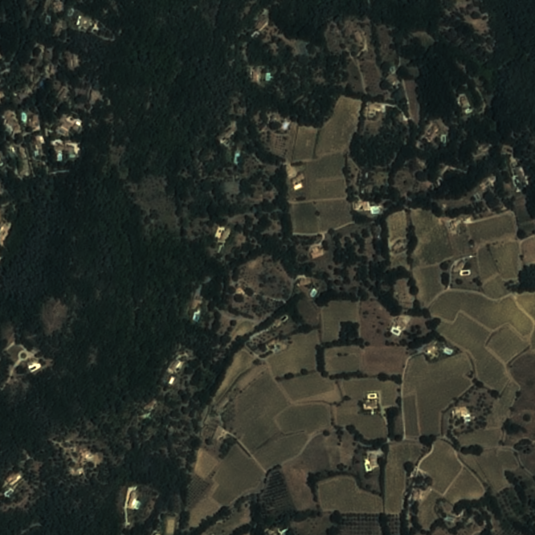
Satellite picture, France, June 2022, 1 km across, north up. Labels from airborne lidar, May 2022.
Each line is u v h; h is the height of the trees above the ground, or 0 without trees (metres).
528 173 14
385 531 13
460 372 0
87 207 8
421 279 0
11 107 12
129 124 15
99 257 13
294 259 15
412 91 0
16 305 10
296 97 11
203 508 0
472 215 7
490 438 0
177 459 15
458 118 7
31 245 20
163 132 12
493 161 17
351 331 10
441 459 0
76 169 14
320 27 8
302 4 17
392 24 16
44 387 12
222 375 16
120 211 8
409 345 8
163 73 10
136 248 13
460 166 11
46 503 11
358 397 0
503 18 14
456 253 0
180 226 10
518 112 8
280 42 10
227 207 13
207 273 16
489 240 0
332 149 0
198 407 14
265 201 9
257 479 0
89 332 16
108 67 15
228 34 12
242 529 14
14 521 15
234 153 6
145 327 14
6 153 10
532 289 15
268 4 17
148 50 9
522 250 0
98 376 15
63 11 6
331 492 0
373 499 0
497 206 12
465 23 11
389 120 6
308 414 0
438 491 0
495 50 10
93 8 12
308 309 0
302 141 0
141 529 13
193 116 11
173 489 17
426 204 15
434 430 0
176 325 13
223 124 10
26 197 12
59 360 11
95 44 14
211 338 7
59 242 12
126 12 11
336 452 0
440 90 17
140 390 6
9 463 19
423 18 17
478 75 14
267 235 12
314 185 0
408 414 0
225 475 0
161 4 14
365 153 7
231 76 16
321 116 10
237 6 10
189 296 15
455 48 12
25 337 9
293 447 0
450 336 0
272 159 19
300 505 0
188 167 13
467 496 0
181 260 14
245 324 0
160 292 16
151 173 15
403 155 18
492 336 0
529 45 19
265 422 0
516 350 0
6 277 18
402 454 0
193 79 11
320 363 13
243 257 9
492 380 0
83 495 9
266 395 0
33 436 16
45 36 11
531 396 0
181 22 12
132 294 9
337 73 8
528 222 0
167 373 0
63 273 10
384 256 10
